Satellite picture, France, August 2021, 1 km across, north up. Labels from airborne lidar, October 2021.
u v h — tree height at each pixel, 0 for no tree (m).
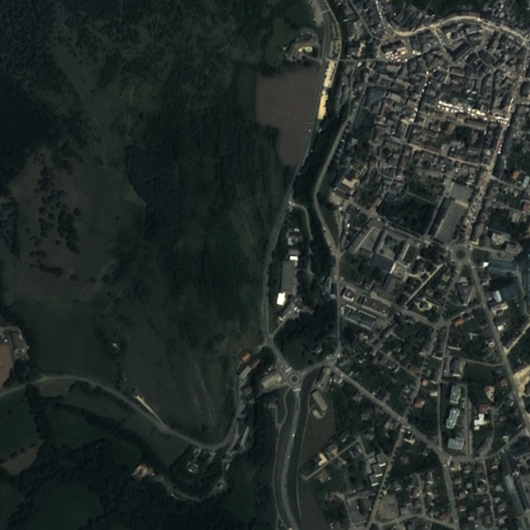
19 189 0
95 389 7
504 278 6
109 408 0
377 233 0
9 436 0
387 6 0
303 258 17
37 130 17
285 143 0
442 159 0
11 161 12
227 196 15
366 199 7
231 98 8
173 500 18
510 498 0
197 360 0
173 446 0
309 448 0
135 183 17
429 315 19
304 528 0
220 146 10
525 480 0
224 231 10
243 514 0
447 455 0
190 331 6
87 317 0
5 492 0
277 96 0
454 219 0
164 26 7
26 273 0
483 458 0
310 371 0
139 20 10
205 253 12
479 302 9
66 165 12
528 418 0
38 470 16
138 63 9
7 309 17
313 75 0
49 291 0
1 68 8
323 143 16
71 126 5
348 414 7
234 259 6
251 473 0
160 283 0
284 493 0
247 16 6
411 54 0
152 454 12
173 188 13
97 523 12
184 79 8
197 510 21
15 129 14
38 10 17
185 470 14
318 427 0
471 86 0
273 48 0
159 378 0
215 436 0
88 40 14
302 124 0
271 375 0
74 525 0
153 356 0
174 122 12
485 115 0
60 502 0
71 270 0
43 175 12
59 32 7
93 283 9
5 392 0
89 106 0
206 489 12
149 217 7
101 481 24
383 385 8
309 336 13
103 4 17
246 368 0
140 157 21
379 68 0
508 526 6
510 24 0
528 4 7
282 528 0
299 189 19
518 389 0
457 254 0
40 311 0
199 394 0
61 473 11
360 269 10
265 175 10
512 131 0
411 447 9
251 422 11
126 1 8
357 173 0
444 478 0
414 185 14
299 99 0
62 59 0
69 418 0
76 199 0
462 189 0
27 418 0
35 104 8
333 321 13
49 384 0
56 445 14
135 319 0
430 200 0
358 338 10
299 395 0
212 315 0
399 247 9
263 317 0
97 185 0
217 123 9
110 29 13
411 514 0
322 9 0
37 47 13
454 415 0
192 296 0
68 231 8
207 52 9
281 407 0
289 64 12
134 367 0
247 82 0
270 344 0
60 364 0
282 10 6
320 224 9
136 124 8
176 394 0
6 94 14
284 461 0
